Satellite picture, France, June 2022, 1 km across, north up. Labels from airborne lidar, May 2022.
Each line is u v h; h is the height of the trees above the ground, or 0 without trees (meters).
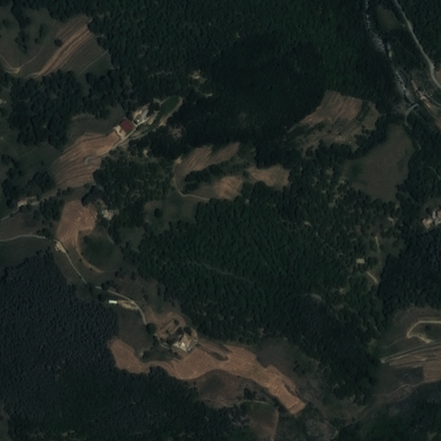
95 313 14
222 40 14
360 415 0
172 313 0
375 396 0
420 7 9
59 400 18
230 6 12
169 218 0
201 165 0
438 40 13
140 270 8
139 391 16
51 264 16
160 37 8
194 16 12
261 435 0
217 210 15
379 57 19
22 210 13
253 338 11
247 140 24
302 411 0
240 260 8
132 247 15
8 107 0
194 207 0
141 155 10
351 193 14
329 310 12
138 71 14
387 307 13
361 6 18
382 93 12
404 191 16
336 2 18
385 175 0
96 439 17
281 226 15
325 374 7
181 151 18
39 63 0
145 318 0
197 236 9
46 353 17
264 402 7
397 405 0
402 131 0
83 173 0
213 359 0
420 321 0
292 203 14
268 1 16
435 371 0
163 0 11
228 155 0
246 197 12
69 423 15
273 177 0
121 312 0
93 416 22
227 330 13
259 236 13
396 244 9
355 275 9
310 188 9
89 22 0
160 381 16
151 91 13
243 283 16
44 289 22
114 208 11
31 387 22
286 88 21
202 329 11
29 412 17
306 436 0
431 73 0
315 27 19
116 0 13
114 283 15
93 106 17
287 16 16
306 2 12
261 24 15
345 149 26
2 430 0
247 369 0
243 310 15
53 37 0
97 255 0
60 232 0
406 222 20
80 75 0
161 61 9
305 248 7
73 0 17
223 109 15
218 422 13
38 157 0
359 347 23
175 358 0
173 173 9
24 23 17
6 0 20
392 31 9
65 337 21
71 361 16
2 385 17
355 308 8
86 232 0
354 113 0
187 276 11
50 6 19
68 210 0
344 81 14
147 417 19
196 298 13
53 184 12
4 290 17
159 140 12
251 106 17
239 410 11
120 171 14
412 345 0
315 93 27
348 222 12
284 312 14
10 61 0
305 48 19
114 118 0
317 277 10
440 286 19
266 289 10
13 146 0
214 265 12
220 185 0
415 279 13
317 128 10
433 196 6
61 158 0
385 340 0
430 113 0
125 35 14
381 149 0
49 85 8
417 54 7
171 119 14
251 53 24
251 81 26
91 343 15
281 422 0
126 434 14
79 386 19
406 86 8
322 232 15
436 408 14
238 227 10
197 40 12
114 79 16
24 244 0
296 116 23
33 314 18
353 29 9
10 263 0
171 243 10
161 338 8
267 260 10
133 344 0
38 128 12
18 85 13
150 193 8
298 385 0
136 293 0
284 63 25
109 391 16
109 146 0
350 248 11
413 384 0
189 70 8
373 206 13
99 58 0
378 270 0
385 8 8
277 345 0
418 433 8
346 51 17
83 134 0
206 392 0
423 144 9
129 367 0
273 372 0
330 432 0
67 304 13
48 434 14
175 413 20
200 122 26
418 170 19
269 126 22
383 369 0
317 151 18
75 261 0
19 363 21
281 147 14
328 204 10
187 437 7
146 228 15
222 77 20
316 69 22
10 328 10
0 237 0
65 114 15
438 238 10
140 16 14
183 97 10
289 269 12
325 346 15
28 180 0
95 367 19
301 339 15
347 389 15
